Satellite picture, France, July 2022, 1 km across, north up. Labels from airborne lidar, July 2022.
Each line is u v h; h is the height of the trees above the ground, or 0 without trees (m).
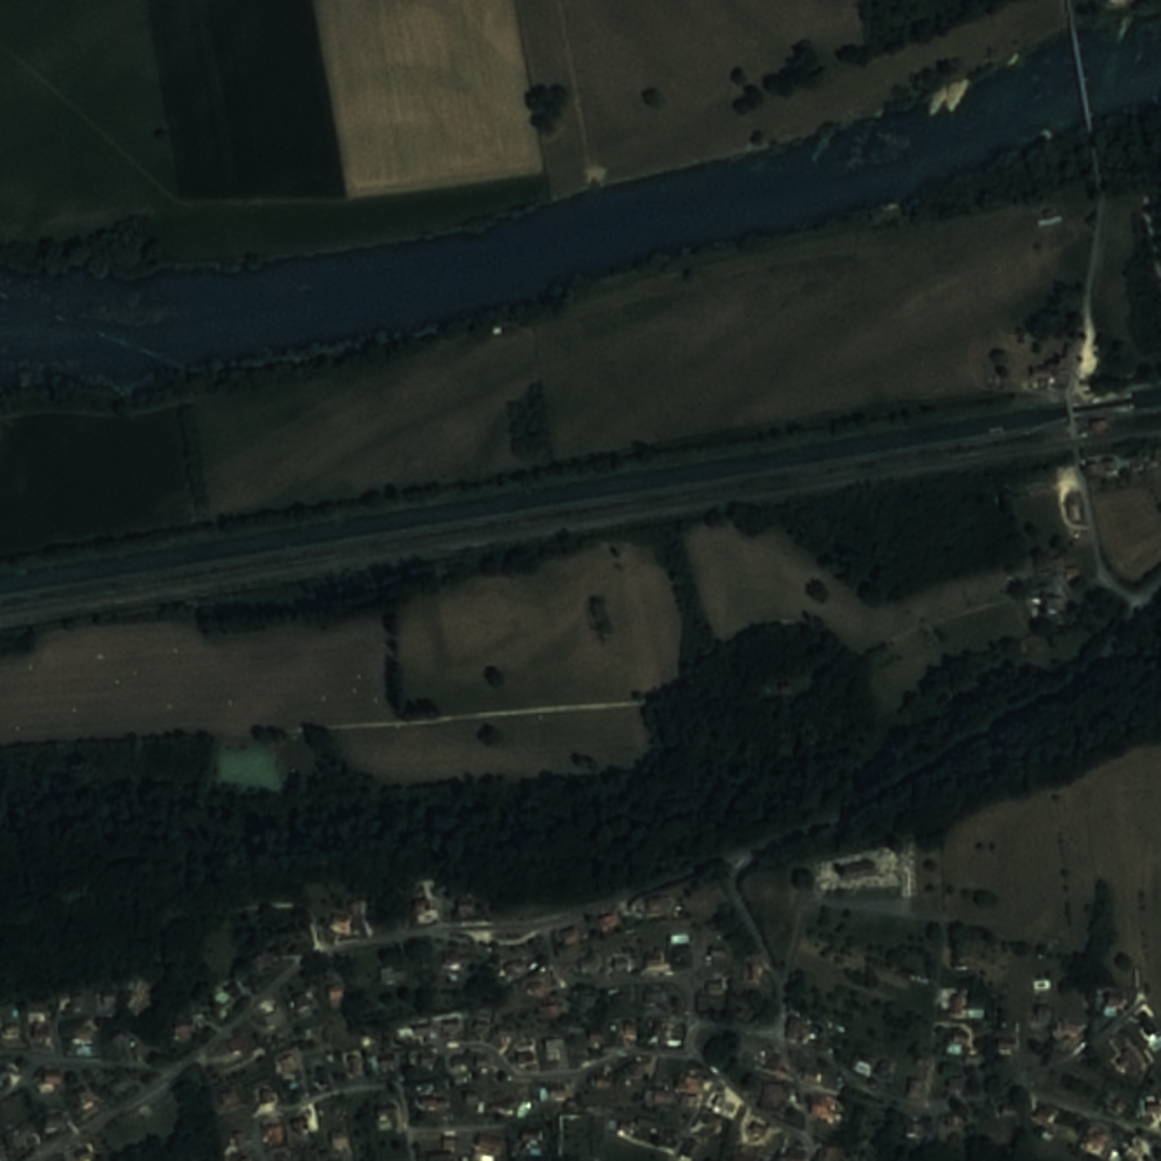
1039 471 7
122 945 25
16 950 22
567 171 0
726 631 0
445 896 8
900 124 0
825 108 0
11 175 0
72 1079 8
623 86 0
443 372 0
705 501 0
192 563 0
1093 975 8
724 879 12
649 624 0
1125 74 0
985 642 0
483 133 0
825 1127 0
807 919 0
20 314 0
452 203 0
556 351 0
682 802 23
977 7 15
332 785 21
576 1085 0
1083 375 0
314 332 0
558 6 0
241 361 7
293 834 7
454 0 0
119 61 0
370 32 0
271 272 0
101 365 0
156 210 0
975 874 0
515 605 0
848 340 0
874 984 10
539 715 0
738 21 0
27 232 0
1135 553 0
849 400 0
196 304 0
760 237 7
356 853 25
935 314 0
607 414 0
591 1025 7
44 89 0
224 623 28
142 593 0
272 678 0
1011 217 0
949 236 0
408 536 0
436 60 0
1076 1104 0
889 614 0
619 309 0
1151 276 22
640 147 0
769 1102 0
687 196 0
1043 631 17
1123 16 0
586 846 26
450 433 0
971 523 7
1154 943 0
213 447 0
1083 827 0
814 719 15
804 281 0
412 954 17
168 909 21
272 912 13
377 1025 12
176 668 0
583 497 0
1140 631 19
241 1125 0
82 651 0
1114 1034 0
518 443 9
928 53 0
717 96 0
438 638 0
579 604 0
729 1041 11
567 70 0
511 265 0
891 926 0
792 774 16
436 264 0
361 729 0
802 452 0
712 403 0
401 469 0
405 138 0
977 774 23
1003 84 0
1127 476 8
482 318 18
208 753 14
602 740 0
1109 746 16
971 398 0
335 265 0
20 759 10
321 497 0
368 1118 11
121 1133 0
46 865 22
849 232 0
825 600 12
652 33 0
